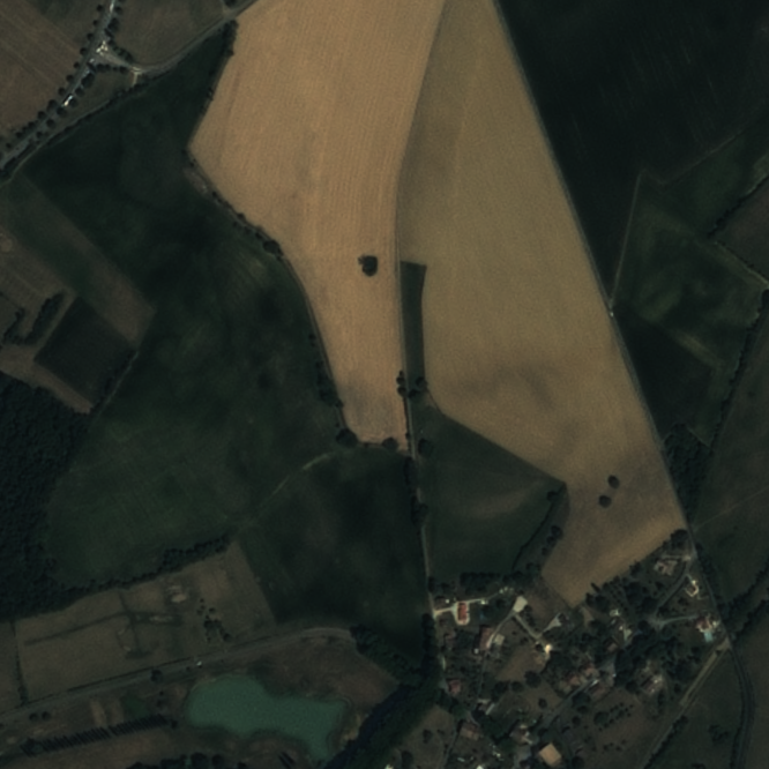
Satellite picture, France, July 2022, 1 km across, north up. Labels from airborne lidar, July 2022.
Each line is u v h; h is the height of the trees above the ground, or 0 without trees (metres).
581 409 0
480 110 0
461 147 0
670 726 0
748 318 0
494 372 0
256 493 0
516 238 0
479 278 0
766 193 0
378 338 0
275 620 0
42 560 22
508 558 0
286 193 0
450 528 0
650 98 0
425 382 9
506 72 0
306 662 0
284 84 0
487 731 24
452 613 0
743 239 0
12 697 0
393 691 0
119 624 0
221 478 0
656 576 0
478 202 0
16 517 18
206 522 0
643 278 0
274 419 0
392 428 0
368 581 0
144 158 0
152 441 0
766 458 0
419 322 0
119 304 0
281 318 0
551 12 0
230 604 0
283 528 0
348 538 0
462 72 0
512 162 0
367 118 0
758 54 0
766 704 0
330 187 0
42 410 23
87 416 8
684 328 0
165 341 0
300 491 0
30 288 0
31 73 0
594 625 10
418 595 0
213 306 0
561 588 0
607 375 0
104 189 0
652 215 0
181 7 0
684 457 15
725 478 0
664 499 0
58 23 0
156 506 0
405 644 0
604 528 0
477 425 0
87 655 0
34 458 15
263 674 0
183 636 0
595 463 0
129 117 0
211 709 0
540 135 0
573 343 0
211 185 0
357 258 0
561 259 0
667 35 0
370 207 0
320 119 0
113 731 0
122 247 0
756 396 0
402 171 0
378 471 0
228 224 0
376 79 0
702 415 0
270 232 0
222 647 0
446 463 0
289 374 0
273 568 0
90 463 0
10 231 0
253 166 0
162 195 0
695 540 0
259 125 0
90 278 0
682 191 0
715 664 0
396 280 0
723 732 7
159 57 0
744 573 0
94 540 0
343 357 0
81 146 0
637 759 0
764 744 0
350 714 0
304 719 0
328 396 19
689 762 0
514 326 0
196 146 0
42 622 0
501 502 0
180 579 0
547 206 0
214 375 0
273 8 0
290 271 0
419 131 0
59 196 0
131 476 0
